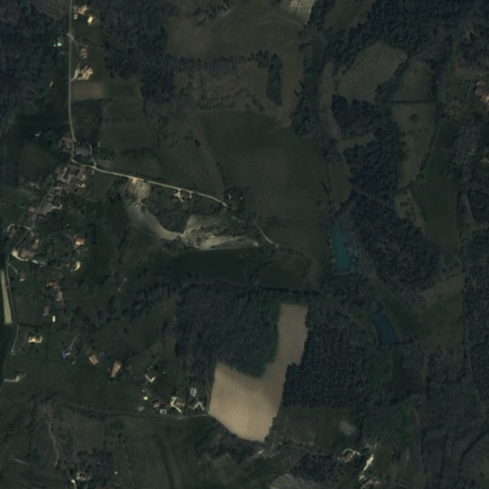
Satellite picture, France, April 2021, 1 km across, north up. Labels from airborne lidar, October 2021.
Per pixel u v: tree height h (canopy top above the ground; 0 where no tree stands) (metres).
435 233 0
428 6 10
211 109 15
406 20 15
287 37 0
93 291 21
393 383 8
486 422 6
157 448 0
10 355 0
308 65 9
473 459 17
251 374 19
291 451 14
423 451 9
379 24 15
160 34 24
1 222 11
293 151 0
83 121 0
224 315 21
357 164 13
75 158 7
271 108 0
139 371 0
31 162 0
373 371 21
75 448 0
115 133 0
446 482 25
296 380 18
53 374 0
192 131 0
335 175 0
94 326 7
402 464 10
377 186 19
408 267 8
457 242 0
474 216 13
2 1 10
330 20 0
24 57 20
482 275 16
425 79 0
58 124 0
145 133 0
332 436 0
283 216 0
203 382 10
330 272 0
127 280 0
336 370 21
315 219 0
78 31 0
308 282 0
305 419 0
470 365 18
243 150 0
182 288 16
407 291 12
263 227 0
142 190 0
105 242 0
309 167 0
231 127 0
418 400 8
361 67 0
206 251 0
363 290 14
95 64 0
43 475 0
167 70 22
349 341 15
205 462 0
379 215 12
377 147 16
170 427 0
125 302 0
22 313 0
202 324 18
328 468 6
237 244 0
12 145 0
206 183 0
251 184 0
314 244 0
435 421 8
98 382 0
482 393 18
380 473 0
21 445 0
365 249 15
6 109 15
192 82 10
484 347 19
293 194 0
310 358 16
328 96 0
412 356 19
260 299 23
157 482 0
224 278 0
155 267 0
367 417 14
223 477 0
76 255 14
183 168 0
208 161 0
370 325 8
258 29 0
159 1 10
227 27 0
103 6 22
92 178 8
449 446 25
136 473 0
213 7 6
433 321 0
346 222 18
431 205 0
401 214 0
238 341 26
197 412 6
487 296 13
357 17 0
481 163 7
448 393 22
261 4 0
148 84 24
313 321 22
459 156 9
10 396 0
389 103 7
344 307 23
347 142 0
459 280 0
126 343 0
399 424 19
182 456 0
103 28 10
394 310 0
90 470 18
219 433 15
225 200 7
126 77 21
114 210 0
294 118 12
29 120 0
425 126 0
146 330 0
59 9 7
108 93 0
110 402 0
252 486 0
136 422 0
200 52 0
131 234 18
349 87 0
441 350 15
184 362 12
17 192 0
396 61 0
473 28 11
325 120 0
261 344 23
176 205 6
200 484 0
